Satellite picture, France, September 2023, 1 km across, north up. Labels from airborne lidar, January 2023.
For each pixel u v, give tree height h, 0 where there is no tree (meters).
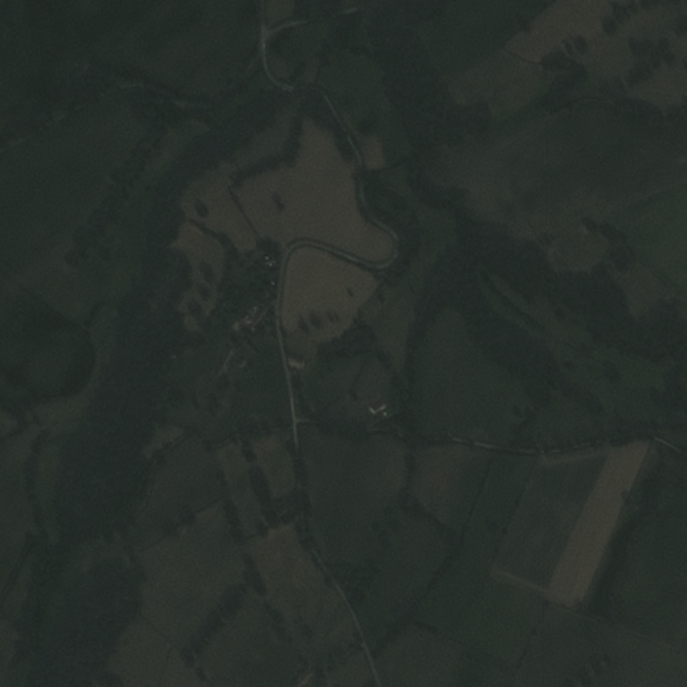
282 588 0
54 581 0
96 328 0
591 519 0
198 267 0
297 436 0
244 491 0
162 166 0
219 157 22
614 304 19
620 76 0
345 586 7
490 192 0
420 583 0
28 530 0
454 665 0
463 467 0
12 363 0
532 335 0
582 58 0
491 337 23
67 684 21
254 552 0
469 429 0
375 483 0
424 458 0
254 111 18
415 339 16
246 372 8
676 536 0
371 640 0
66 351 0
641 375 0
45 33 0
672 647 0
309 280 0
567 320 0
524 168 0
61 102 21
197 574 0
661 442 0
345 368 0
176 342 14
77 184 0
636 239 0
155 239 19
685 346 22
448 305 15
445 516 0
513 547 0
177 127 0
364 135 0
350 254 0
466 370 0
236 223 0
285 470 0
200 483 0
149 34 0
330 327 0
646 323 16
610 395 0
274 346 0
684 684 0
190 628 0
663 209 0
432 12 13
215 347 0
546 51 0
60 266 0
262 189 0
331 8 15
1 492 0
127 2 0
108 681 12
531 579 0
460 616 0
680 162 0
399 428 0
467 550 0
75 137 0
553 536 0
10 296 0
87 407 0
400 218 0
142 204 0
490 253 27
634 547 13
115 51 0
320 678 11
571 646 0
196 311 11
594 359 0
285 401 0
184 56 0
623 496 11
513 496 0
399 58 20
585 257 0
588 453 0
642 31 0
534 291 15
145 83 12
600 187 0
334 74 0
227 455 0
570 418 0
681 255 0
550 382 23
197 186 0
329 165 0
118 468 11
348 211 0
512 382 0
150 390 11
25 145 0
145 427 13
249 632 0
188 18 0
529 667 0
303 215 0
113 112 0
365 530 0
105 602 29
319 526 0
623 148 0
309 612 0
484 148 0
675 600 0
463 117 8
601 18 0
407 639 0
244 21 0
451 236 0
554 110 8
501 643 0
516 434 19
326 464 0
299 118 6
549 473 0
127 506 6
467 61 0
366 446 0
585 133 0
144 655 0
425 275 0
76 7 0
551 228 0
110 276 0
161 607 0
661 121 11
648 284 0
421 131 18
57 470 0
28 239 0
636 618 0
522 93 0
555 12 0
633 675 0
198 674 12
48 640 0
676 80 0
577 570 0
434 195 21
